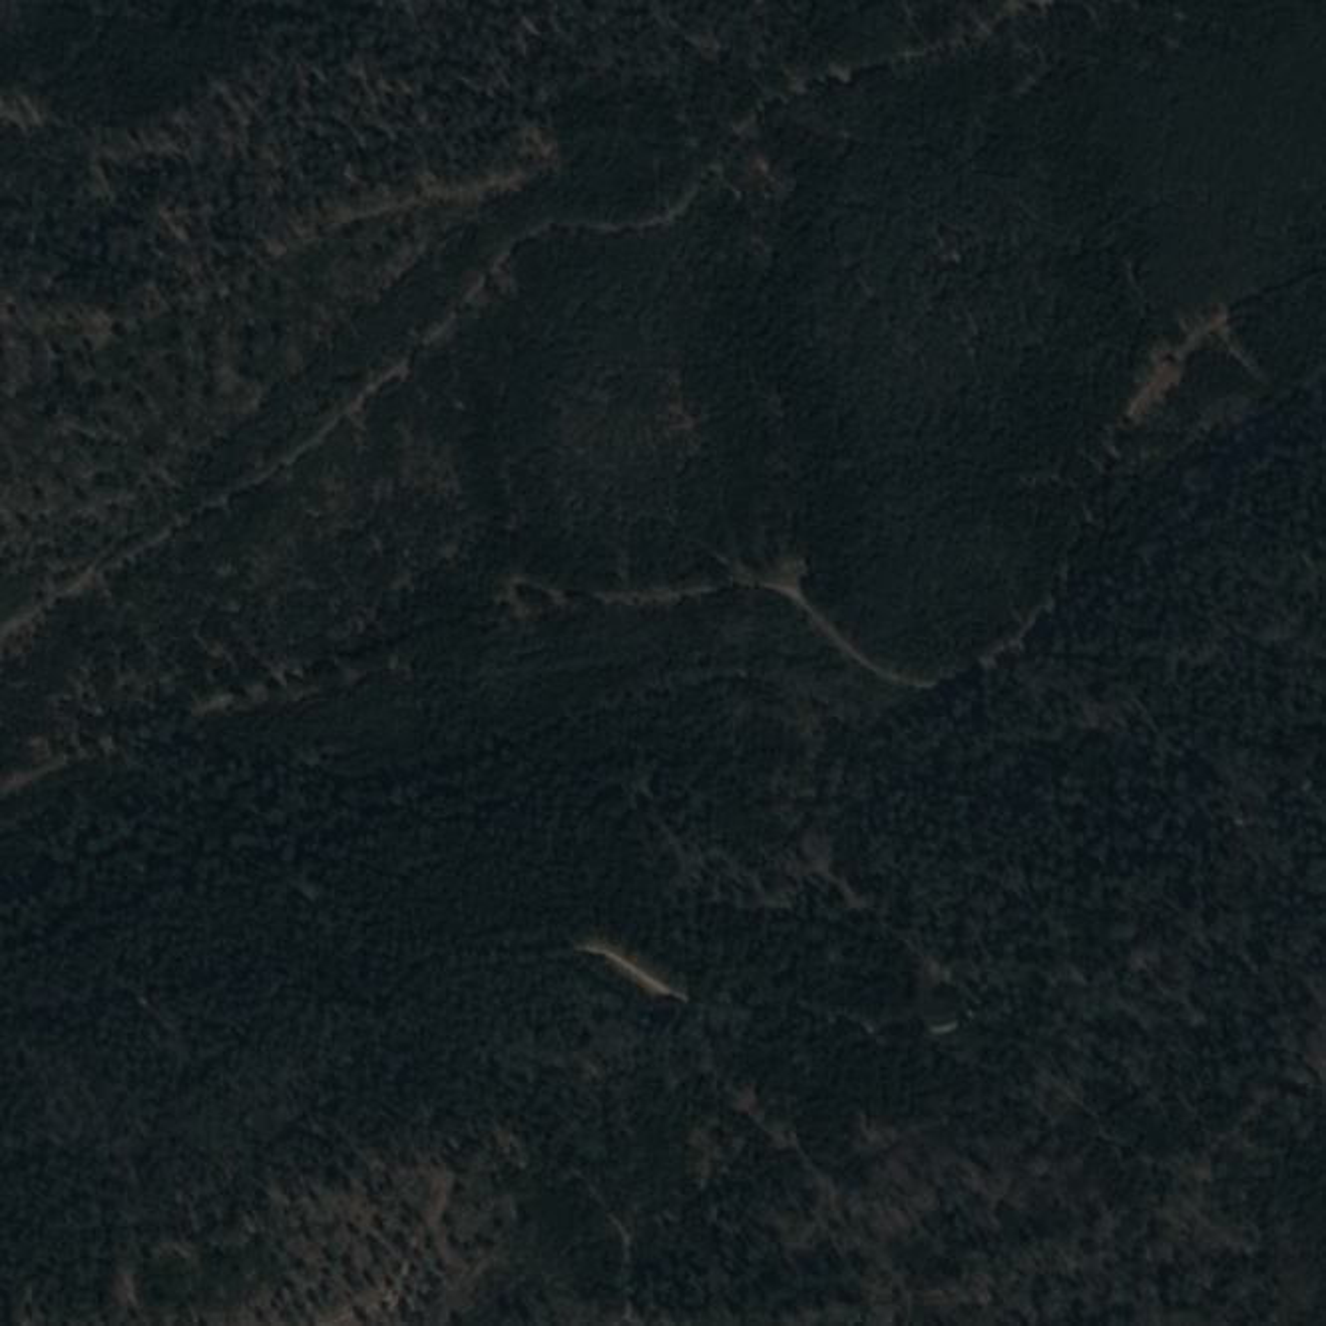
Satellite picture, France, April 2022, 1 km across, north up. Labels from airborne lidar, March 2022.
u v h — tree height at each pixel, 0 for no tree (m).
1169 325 18
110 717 12
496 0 25
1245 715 23
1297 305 22
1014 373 19
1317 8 17
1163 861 6
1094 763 12
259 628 11
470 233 9
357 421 6
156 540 7
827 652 12
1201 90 15
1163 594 9
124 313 25
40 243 8
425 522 8
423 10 25
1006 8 16
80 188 6
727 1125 11
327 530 9
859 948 15
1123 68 16
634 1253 7
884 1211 34
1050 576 13
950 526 18
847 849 10
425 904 21
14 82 17
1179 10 23
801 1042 13
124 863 11
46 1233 21
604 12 29
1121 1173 8
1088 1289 18
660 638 10
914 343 17
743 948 15
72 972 18
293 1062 19
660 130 10
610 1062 12
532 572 17
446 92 27
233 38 18
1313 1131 17
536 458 10
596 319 10
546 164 9
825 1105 13
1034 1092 6
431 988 21
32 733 13
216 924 25
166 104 19
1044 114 17
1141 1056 32
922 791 17
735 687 8
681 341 9
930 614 17
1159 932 7
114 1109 22
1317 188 15
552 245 13
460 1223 0
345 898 27
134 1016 25
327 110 29
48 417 7
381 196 32
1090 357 25
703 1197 8
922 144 11
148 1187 20
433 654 27
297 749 7
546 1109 20
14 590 21
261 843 23
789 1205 26
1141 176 12
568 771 15
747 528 18
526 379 13
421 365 14
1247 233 16
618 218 10
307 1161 21
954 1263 7
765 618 10
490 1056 21
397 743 7
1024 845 29
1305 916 24
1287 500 29
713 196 13
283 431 8
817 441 20
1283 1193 10
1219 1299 15
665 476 9
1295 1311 14
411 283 9
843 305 16
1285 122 15
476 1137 19
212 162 18
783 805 9
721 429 14
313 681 21
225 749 11
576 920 17
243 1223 24
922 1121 8
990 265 20
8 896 5
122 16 13
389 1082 22
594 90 12
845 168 19
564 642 12
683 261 8
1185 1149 7
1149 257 23
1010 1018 32
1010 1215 9
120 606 11
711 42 24
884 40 20
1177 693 20
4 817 7
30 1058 23
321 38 31
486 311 13
